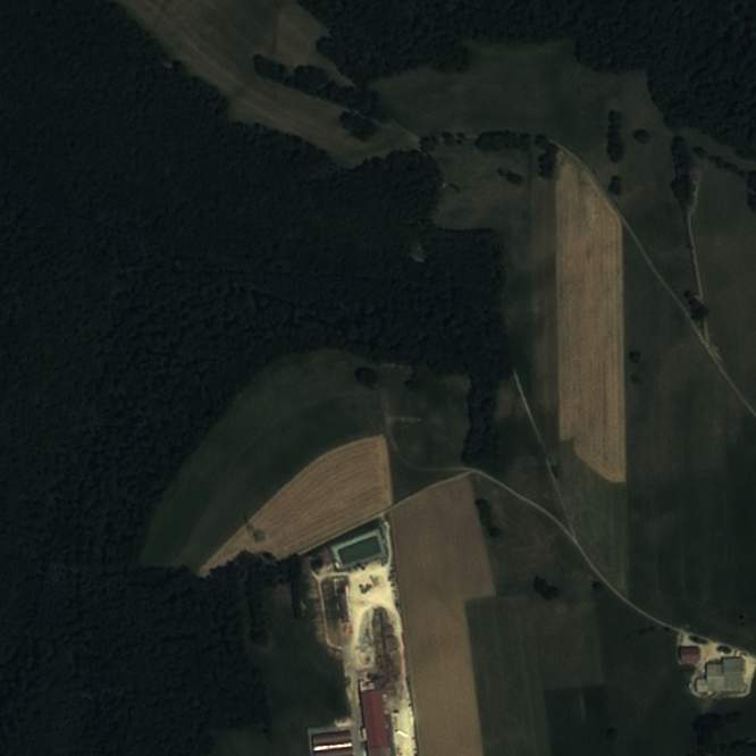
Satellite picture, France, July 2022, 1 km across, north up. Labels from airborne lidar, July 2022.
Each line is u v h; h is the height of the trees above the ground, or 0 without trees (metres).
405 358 18
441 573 0
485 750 0
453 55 17
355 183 21
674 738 0
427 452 0
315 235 14
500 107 0
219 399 16
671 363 0
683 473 0
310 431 0
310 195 18
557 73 0
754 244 0
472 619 0
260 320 25
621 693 0
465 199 0
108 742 28
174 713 16
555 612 0
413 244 10
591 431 0
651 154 0
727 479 0
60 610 22
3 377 13
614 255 0
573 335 0
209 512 0
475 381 15
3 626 21
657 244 0
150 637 17
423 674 0
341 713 0
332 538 0
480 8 12
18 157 18
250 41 0
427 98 0
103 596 19
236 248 21
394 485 0
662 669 0
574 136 0
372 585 0
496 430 14
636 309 0
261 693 15
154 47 15
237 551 0
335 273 19
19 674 19
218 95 10
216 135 14
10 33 18
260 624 17
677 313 0
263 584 14
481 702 0
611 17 19
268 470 0
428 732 0
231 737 0
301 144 21
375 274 28
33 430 19
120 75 17
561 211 0
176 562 0
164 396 23
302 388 0
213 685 20
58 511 21
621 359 0
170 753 15
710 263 0
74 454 26
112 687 28
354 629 0
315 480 0
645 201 0
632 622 0
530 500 0
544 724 0
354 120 13
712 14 18
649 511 0
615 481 0
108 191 17
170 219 21
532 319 0
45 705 17
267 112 0
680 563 0
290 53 0
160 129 15
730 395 0
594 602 0
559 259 0
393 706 0
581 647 0
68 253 22
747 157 16
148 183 17
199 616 19
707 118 18
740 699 0
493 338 21
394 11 18
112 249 28
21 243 26
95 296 15
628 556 0
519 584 0
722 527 0
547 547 0
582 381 0
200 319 17
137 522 17
